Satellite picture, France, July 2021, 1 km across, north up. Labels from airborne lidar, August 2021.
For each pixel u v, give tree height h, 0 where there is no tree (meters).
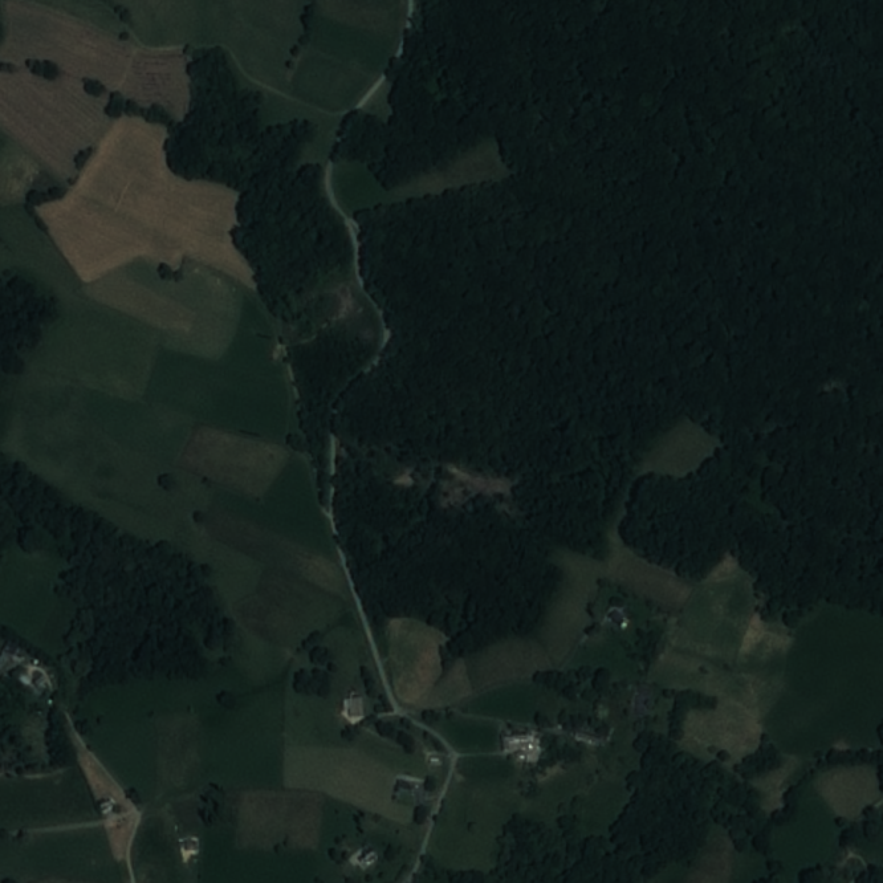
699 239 31
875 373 24
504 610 30
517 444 34
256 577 0
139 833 0
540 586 27
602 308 27
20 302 21
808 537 26
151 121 14
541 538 19
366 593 20
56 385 0
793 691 0
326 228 26
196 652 20
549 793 0
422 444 31
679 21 31
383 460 30
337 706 0
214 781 0
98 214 0
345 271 24
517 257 21
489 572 34
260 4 0
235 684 0
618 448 29
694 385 26
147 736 0
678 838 26
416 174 21
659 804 21
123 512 0
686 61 31
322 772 0
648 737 17
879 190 27
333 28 0
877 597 28
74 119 0
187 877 0
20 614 0
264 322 0
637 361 24
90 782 0
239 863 0
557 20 28
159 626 22
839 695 0
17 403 0
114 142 0
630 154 24
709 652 0
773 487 19
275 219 26
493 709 0
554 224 27
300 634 0
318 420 18
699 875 0
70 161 0
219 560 0
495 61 28
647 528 20
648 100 31
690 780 13
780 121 25
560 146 26
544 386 31
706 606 0
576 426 34
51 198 12
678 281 29
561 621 0
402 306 27
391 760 0
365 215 16
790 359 23
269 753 0
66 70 0
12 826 0
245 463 0
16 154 0
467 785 0
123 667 25
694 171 27
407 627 0
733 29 29
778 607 22
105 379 0
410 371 18
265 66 0
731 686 0
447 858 0
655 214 32
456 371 15
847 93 24
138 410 0
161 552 17
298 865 0
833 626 0
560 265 31
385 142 30
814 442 28
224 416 0
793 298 27
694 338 23
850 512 29
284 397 0
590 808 0
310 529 0
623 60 27
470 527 28
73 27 0
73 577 19
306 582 0
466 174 0
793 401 26
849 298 27
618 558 0
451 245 29
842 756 15
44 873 0
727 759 21
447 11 21
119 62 0
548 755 6
